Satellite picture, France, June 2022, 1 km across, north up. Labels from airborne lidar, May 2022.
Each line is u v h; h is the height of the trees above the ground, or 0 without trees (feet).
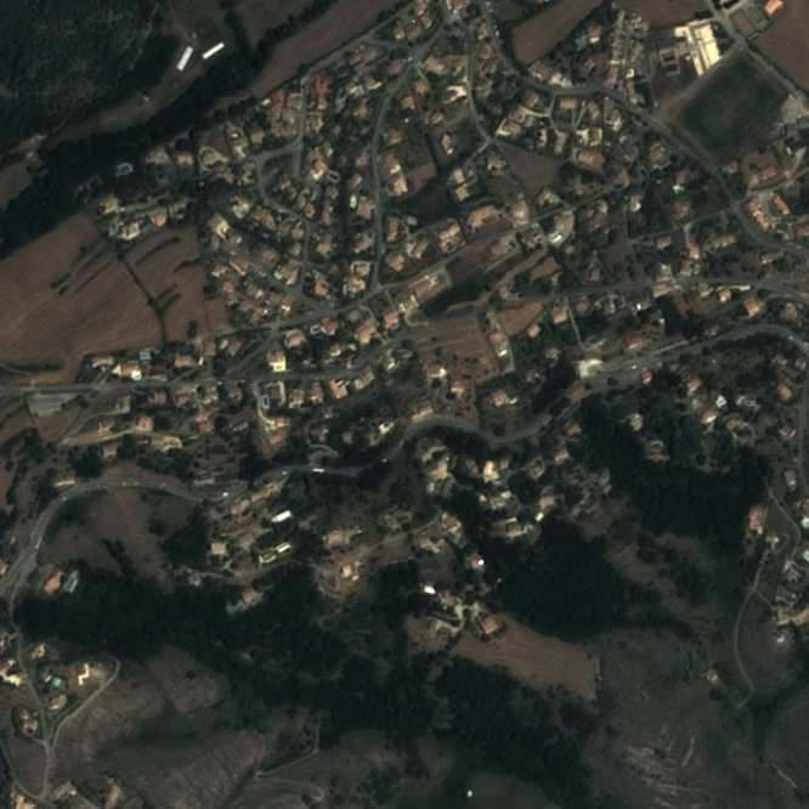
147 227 0
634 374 0
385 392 17
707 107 0
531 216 0
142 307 0
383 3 0
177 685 0
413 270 0
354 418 26
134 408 21
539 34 0
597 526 0
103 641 28
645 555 39
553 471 60
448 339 0
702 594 33
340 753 0
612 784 0
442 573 0
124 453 45
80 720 0
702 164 22
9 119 42
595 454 30
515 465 46
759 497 30
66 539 0
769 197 0
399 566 30
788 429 0
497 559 34
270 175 0
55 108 39
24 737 19
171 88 0
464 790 23
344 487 31
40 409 0
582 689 0
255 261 0
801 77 0
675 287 0
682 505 66
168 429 23
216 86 70
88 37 58
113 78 22
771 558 22
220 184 27
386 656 31
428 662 32
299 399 0
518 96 31
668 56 0
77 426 0
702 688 0
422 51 0
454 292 0
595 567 45
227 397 23
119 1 51
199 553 38
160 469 35
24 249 0
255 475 56
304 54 0
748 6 0
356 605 0
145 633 39
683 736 0
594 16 29
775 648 0
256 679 20
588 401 39
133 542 0
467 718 63
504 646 0
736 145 0
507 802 0
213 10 0
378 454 34
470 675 64
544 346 23
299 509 37
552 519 26
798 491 20
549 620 64
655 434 35
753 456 42
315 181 0
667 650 0
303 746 27
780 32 0
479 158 30
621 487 36
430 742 0
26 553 0
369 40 0
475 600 27
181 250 0
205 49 0
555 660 0
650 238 33
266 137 34
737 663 0
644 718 0
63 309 0
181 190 28
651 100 27
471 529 42
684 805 0
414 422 0
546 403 55
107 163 61
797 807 0
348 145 23
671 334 52
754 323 25
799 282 0
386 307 24
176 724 0
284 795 0
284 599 24
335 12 0
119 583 37
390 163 0
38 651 0
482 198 28
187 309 0
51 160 55
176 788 0
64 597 21
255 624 44
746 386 46
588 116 18
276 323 0
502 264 0
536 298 0
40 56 36
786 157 0
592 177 32
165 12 0
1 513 37
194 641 36
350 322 19
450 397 28
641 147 30
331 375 0
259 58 34
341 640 30
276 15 0
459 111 0
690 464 38
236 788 0
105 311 0
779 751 0
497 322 0
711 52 0
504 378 23
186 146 59
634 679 0
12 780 28
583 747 30
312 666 35
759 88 0
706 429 18
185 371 32
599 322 39
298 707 27
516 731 64
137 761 0
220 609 50
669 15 0
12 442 19
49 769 0
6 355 0
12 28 68
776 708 29
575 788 37
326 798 0
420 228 27
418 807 0
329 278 25
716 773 0
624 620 33
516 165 0
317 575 0
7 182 0
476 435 37
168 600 38
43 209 53
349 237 23
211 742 0
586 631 46
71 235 0
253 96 23
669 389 26
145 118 0
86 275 0
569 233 0
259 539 20
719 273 33
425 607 36
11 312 0
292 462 32
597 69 24
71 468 20
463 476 42
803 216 19
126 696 0
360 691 44
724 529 28
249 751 0
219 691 0
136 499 0
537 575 33
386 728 26
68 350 0
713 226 34
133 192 17
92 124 0
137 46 38
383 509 33
